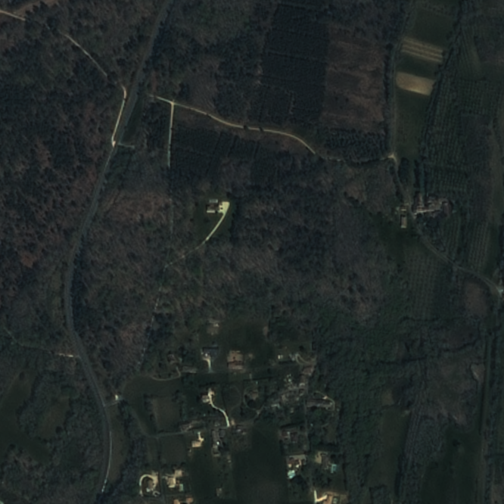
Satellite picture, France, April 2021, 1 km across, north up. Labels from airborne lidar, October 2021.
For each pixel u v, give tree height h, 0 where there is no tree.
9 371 20
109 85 8
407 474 25
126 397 0
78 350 0
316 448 16
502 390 7
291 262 13
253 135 8
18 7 23
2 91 16
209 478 0
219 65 9
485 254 22
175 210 13
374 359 20
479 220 9
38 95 20
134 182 15
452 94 15
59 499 17
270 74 14
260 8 11
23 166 14
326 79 6
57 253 18
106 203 8
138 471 16
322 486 8
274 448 0
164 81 10
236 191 14
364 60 7
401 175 14
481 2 20
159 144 12
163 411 0
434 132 21
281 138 10
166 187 14
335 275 19
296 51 11
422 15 0
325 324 19
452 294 14
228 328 0
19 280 9
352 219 18
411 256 9
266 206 24
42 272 24
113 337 6
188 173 11
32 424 20
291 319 6
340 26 21
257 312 18
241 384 0
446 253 26
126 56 15
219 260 22
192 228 9
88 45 17
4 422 0
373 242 26
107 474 0
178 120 6
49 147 19
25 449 0
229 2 13
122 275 10
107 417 0
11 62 26
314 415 14
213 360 0
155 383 0
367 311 13
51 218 14
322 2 14
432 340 14
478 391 14
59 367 16
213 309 13
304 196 28
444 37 0
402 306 19
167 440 0
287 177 8
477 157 11
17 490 16
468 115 12
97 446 9
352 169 10
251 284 15
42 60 17
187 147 14
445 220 25
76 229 7
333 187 11
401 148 0
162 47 18
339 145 18
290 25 14
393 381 11
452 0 0
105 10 15
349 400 23
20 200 14
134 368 17
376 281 22
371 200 16
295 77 13
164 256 18
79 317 22
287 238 17
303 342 0
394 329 19
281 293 27
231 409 0
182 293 18
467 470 0
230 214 0
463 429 12
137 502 19
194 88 10
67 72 21
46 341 20
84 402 13
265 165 9
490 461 17
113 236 18
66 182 10
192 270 23
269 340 14
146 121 16
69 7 12
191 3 19
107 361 17
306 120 13
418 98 0
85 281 9
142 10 27
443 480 0
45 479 14
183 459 0
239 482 0
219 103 0
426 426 25
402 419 0
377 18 15
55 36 22
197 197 20
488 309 0
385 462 0
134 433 24
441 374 0
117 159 10
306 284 16
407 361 8
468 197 15
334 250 13
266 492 0
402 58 7
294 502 0
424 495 0
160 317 11
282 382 0
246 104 0
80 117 8
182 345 0
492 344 0
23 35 18
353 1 14
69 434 19
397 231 0
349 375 24
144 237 8
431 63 0
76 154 7
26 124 14
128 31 11
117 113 17
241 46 27
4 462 11
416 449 28
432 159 20
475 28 15
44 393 24
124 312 18
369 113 8
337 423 11
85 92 15
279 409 11
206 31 19
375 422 23
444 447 16
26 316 15
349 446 22
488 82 12
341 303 23
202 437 0
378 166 14
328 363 17
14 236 24
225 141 13
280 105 12
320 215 23
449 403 0
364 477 8
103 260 11
